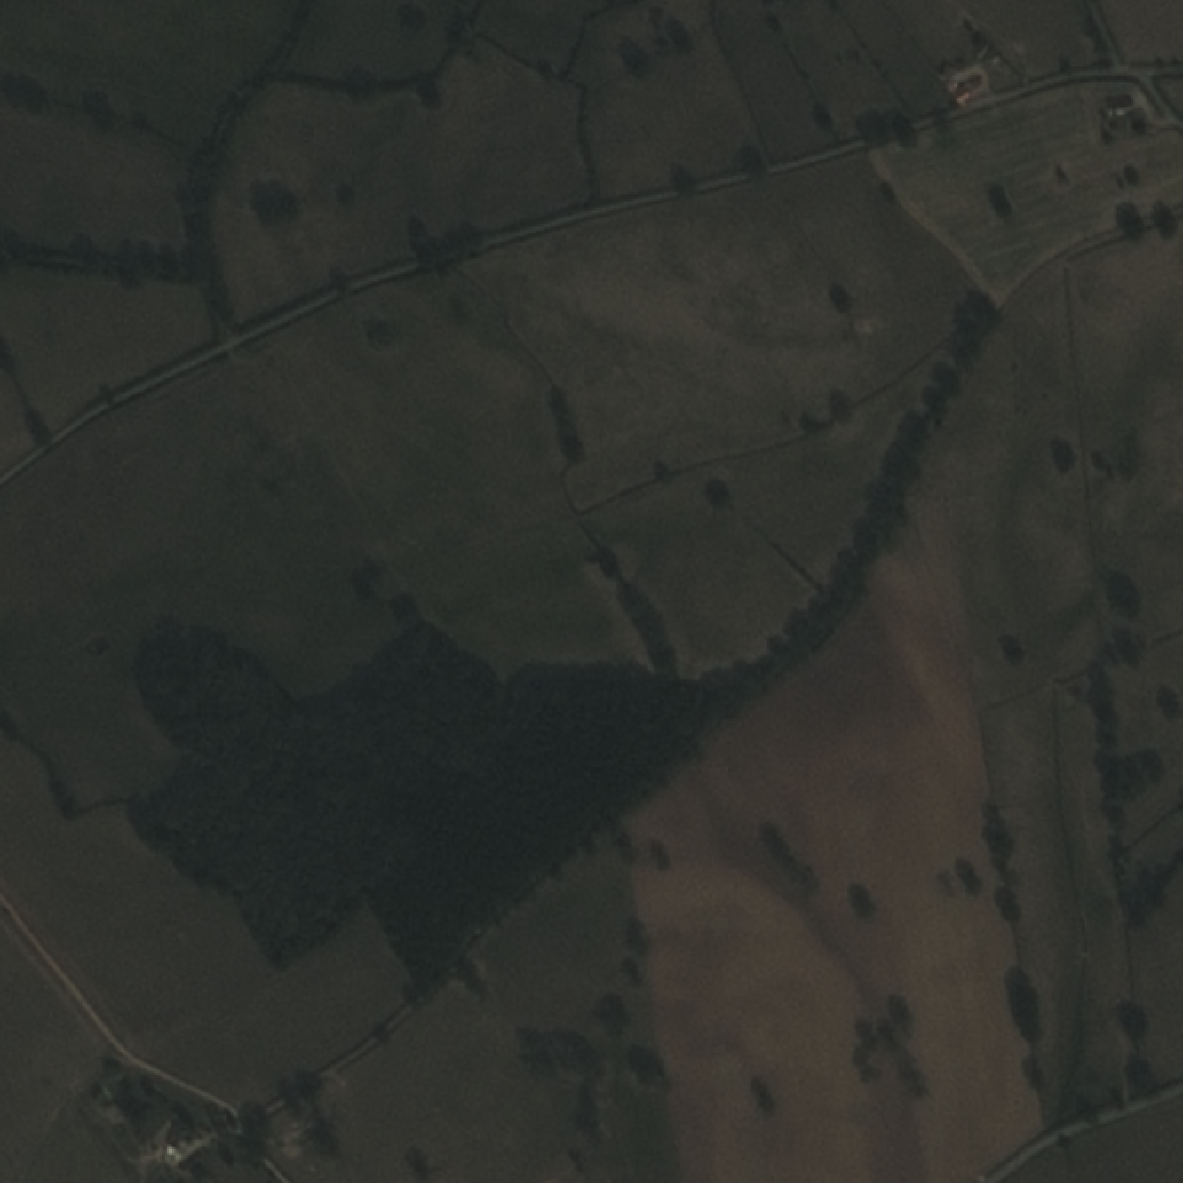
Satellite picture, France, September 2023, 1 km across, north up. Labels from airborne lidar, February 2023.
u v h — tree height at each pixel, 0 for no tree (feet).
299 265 0
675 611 0
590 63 0
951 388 52
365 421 0
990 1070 0
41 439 54
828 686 0
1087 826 0
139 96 0
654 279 0
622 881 0
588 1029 0
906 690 0
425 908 75
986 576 0
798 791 0
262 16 0
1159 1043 0
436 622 0
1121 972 0
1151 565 0
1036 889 0
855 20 0
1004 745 0
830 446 0
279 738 66
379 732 63
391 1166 0
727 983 0
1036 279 0
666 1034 0
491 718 69
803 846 0
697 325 0
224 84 0
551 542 0
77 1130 0
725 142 0
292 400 0
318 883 66
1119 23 0
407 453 0
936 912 0
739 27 0
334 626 0
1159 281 0
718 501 48
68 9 0
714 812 0
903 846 0
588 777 73
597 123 0
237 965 0
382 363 0
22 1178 0
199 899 0
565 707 76
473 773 57
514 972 0
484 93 0
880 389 0
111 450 0
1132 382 0
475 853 59
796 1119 0
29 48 0
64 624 0
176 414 0
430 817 72
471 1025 0
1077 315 0
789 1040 0
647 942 42
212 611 0
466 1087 0
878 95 0
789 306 0
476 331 0
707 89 0
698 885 0
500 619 0
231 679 62
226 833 71
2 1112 0
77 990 0
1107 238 0
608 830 68
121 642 0
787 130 0
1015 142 0
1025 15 0
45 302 0
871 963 0
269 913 59
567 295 0
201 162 34
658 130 0
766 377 0
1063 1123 0
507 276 0
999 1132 0
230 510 0
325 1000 0
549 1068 67
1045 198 0
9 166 0
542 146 0
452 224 0
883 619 0
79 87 0
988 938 0
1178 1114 0
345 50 0
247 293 0
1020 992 71
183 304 0
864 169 0
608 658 0
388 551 0
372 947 0
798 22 0
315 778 64
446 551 0
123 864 0
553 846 65
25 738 0
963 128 0
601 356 0
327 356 0
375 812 62
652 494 0
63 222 0
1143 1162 0
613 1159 0
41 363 0
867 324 0
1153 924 0
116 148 0
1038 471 0
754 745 0
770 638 0
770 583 0
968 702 0
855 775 0
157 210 0
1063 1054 0
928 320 0
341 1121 0
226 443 0
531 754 87
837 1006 0
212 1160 0
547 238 0
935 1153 0
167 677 64
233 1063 0
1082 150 0
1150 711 0
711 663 0
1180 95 0
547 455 0
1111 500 0
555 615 0
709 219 0
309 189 0
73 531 0
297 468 0
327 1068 0
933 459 0
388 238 0
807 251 0
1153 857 0
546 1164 0
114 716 0
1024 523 0
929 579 0
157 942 0
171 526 0
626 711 72
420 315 0
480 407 0
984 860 0
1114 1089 0
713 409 0
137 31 0
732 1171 0
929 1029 0
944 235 0
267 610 0
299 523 0
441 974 60
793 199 0
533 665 0
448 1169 0
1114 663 33
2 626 0
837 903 0
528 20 0
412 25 42
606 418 0
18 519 0
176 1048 0
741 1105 0
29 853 0
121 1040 0
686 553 0
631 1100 0
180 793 52
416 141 0
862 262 0
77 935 0
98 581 0
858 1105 0
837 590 42
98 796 0
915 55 0
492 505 0
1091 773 0
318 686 0
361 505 0
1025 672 0
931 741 0
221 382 0
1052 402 0
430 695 75
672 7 0
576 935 0
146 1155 0
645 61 57
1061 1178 0
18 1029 0
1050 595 0
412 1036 0
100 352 0
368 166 0
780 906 0
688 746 56
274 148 0
